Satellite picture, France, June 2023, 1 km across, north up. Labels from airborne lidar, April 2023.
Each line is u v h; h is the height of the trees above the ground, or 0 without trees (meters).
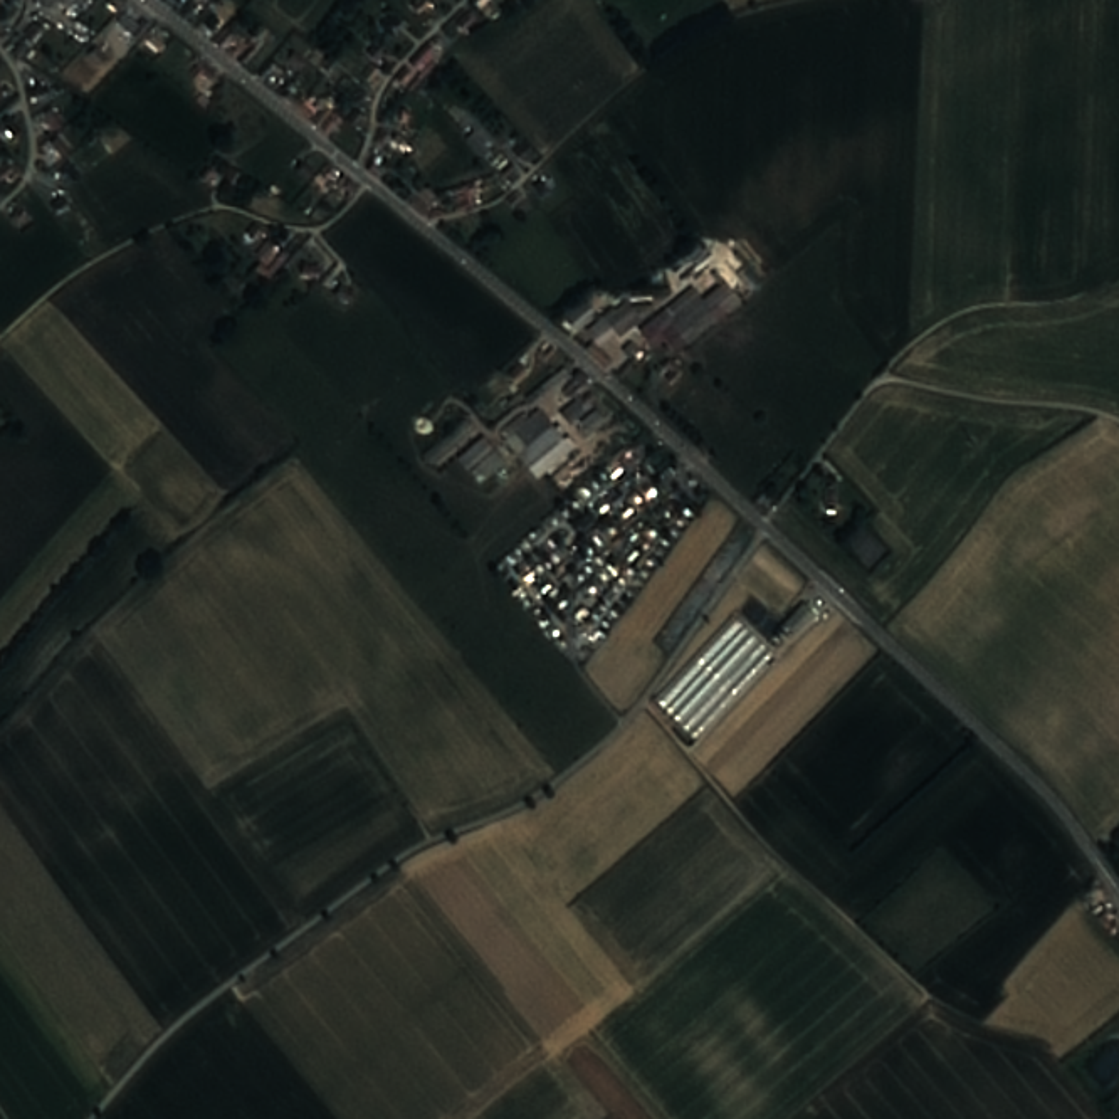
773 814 0
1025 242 0
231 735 0
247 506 0
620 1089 0
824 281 0
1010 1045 0
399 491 0
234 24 7
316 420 0
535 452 0
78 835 0
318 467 0
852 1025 0
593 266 0
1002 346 0
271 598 0
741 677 0
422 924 0
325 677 0
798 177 0
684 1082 0
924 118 0
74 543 0
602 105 0
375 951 0
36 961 0
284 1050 0
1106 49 0
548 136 0
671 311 0
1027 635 0
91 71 0
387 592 0
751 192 0
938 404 0
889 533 0
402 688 0
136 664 0
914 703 0
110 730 0
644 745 0
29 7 0
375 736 0
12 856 0
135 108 0
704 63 0
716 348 0
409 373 0
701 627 0
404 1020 0
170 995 0
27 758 0
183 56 0
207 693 0
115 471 0
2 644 0
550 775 0
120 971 0
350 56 0
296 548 0
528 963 0
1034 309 0
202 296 0
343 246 0
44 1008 0
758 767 0
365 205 0
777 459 0
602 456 0
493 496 0
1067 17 0
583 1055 0
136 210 0
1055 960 0
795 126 0
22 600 0
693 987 0
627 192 0
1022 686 0
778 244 0
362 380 0
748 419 0
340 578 0
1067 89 0
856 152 0
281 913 0
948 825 0
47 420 0
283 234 16
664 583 0
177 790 0
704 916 0
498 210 0
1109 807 0
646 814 0
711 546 0
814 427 0
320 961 0
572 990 0
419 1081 0
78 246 0
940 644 0
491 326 0
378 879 8
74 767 0
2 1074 0
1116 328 0
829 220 0
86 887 0
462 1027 0
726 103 0
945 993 0
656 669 0
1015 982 0
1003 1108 0
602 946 0
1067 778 0
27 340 0
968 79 0
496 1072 0
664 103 0
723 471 0
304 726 0
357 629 0
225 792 0
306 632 0
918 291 0
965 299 0
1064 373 0
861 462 0
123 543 0
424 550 0
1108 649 0
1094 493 0
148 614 0
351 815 0
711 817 0
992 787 0
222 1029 0
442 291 0
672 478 0
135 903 0
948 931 0
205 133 0
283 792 0
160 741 0
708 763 0
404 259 0
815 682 0
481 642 0
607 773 0
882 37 0
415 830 0
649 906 0
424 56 0
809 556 0
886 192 0
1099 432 0
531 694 0
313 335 0
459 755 0
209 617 0
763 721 0
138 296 0
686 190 0
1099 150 0
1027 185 0
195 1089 0
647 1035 0
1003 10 0
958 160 0
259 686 0
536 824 0
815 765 0
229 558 0
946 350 0
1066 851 0
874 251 0
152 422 0
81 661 0
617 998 0
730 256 0
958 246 0
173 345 0
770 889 0
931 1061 0
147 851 0
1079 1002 0
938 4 0
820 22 0
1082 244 0
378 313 0
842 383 0
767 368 0
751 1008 0
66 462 0
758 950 0
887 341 0
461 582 0
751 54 0
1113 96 0
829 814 0
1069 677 0
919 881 0
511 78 0
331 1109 0
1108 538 0
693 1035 0
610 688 0
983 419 0
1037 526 0
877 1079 0
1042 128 0
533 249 0
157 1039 0
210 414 0
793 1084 0
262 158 0
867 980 0
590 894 0
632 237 0
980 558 0
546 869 0
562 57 0
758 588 0
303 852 0
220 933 0
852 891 0
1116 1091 0
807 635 0
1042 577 0
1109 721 0
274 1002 0
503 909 0
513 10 17
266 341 0
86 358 0
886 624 0
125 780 0
